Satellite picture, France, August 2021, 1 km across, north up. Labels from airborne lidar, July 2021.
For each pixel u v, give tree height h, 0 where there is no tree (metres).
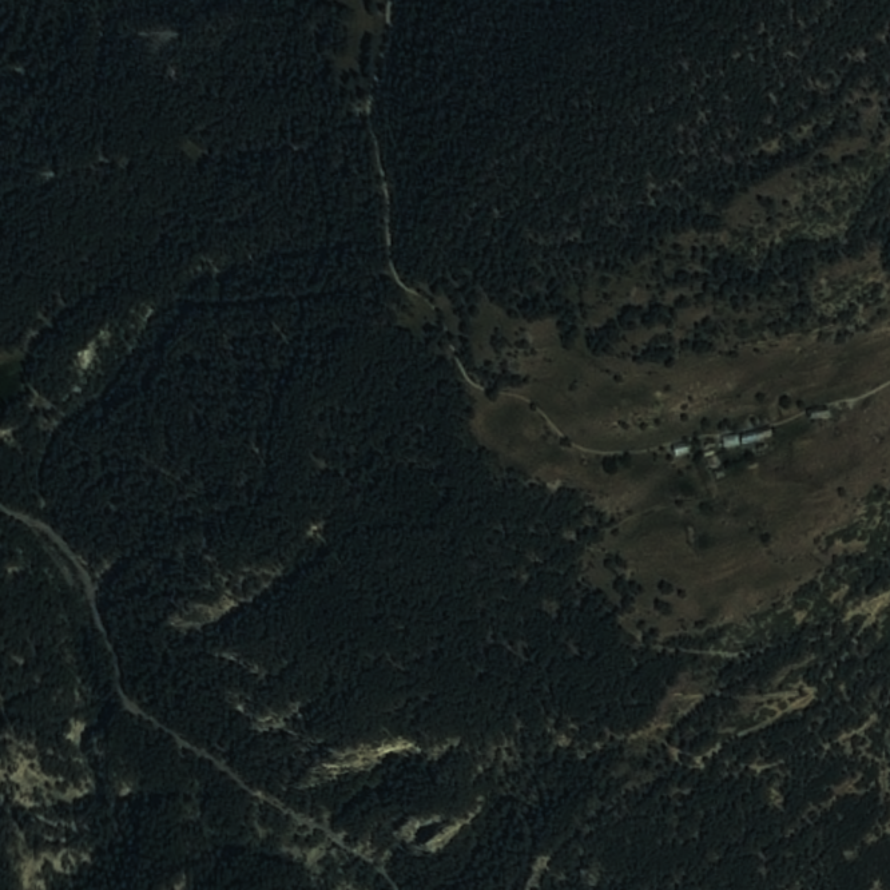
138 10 12
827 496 0
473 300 14
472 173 13
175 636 10
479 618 18
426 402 14
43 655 24
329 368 19
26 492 15
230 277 14
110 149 16
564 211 18
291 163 18
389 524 10
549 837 19
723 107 12
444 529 15
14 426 14
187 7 13
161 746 22
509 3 8
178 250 17
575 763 17
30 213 14
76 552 17
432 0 12
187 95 20
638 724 14
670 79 14
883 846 8
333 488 22
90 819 16
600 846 13
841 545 0
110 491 20
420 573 17
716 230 10
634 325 8
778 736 16
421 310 0
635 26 12
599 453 0
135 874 16
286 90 17
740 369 0
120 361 12
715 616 0
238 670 20
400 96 11
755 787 14
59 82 23
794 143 8
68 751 20
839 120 13
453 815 10
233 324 17
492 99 11
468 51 11
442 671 20
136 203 18
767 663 17
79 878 20
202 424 19
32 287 13
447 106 11
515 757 24
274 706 14
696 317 0
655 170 16
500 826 13
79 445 18
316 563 7
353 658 14
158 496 19
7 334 17
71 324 22
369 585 17
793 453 0
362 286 19
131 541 25
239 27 8
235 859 21
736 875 17
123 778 8
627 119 10
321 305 19
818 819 8
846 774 14
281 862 19
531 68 12
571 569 14
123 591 19
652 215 17
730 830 15
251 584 17
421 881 20
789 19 19
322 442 15
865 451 0
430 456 17
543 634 17
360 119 8
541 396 0
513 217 15
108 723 21
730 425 7
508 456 0
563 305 10
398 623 20
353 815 21
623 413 0
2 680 21
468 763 15
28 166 11
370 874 16
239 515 11
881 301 8
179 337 21
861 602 0
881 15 15
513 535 13
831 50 13
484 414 0
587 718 17
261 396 20
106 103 22
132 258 22
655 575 0
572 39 9
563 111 13
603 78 13
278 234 14
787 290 12
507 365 9
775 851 16
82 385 8
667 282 10
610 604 13
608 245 14
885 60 17
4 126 22
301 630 18
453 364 5
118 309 15
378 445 10
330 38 17
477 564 17
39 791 10
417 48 17
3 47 17
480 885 23
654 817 9
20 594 17
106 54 13
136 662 10
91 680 8
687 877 10
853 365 0
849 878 11
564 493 10
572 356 0
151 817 20
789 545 0
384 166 10
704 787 15
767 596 0
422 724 17
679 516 0
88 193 16
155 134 20
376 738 14
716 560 0
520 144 10
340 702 23
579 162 12
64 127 19
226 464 20
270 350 21
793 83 17
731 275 13
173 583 23
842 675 14
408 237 13
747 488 0
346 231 14
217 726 20
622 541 0
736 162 13
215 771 20
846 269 0
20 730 14
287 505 15
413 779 25
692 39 19
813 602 0
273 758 20
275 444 19
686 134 12
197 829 13
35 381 13
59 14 10
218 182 14
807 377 0
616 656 14
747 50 9
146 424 23
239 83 17
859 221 14
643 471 0
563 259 12
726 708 18
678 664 17
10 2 20
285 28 21
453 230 10
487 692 19
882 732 8
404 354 19
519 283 9
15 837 6
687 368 0
